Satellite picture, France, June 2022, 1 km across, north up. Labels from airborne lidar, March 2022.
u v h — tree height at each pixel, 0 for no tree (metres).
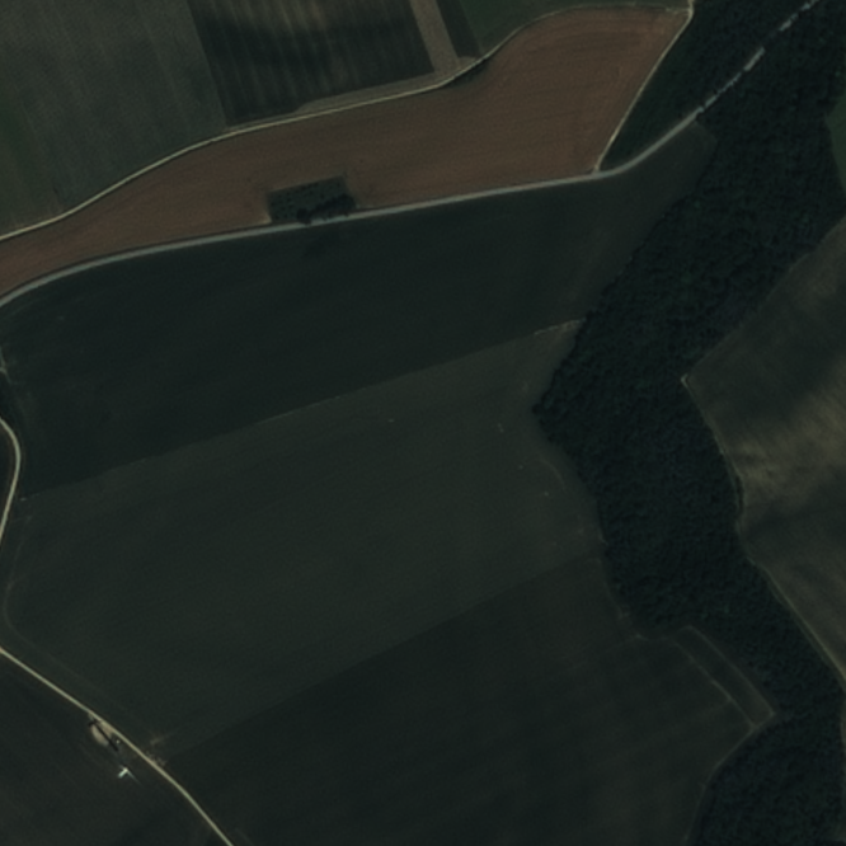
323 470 0
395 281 0
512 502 0
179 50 0
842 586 0
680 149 0
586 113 0
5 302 0
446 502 0
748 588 16
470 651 0
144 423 0
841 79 17
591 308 0
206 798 0
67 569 0
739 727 0
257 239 0
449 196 0
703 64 9
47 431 0
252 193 0
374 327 0
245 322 0
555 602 0
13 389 0
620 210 0
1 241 0
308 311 0
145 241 0
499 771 0
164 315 0
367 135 0
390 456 0
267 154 0
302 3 0
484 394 0
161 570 0
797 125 23
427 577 0
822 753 22
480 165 0
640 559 18
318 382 0
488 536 0
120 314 0
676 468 17
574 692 0
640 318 20
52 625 0
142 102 0
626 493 17
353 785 0
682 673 0
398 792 0
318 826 0
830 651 0
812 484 0
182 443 0
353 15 0
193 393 0
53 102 0
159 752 0
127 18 0
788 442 0
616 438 21
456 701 0
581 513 0
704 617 8
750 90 15
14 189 0
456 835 0
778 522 0
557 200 0
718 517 15
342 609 0
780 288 0
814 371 0
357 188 0
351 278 0
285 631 0
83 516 0
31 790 0
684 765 0
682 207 16
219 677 0
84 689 0
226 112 0
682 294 16
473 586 0
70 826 0
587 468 15
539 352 0
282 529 0
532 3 0
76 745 0
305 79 0
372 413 0
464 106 0
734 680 0
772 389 0
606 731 0
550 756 0
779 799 19
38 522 0
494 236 0
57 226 0
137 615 0
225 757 0
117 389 0
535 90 0
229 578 0
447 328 0
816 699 17
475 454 0
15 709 0
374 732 0
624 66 0
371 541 0
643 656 0
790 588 0
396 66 0
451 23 0
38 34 0
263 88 0
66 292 0
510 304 0
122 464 0
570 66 0
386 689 0
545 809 0
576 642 0
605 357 12
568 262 0
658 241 8
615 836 0
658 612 9
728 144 7
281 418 0
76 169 0
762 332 0
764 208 9
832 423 0
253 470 0
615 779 0
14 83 0
